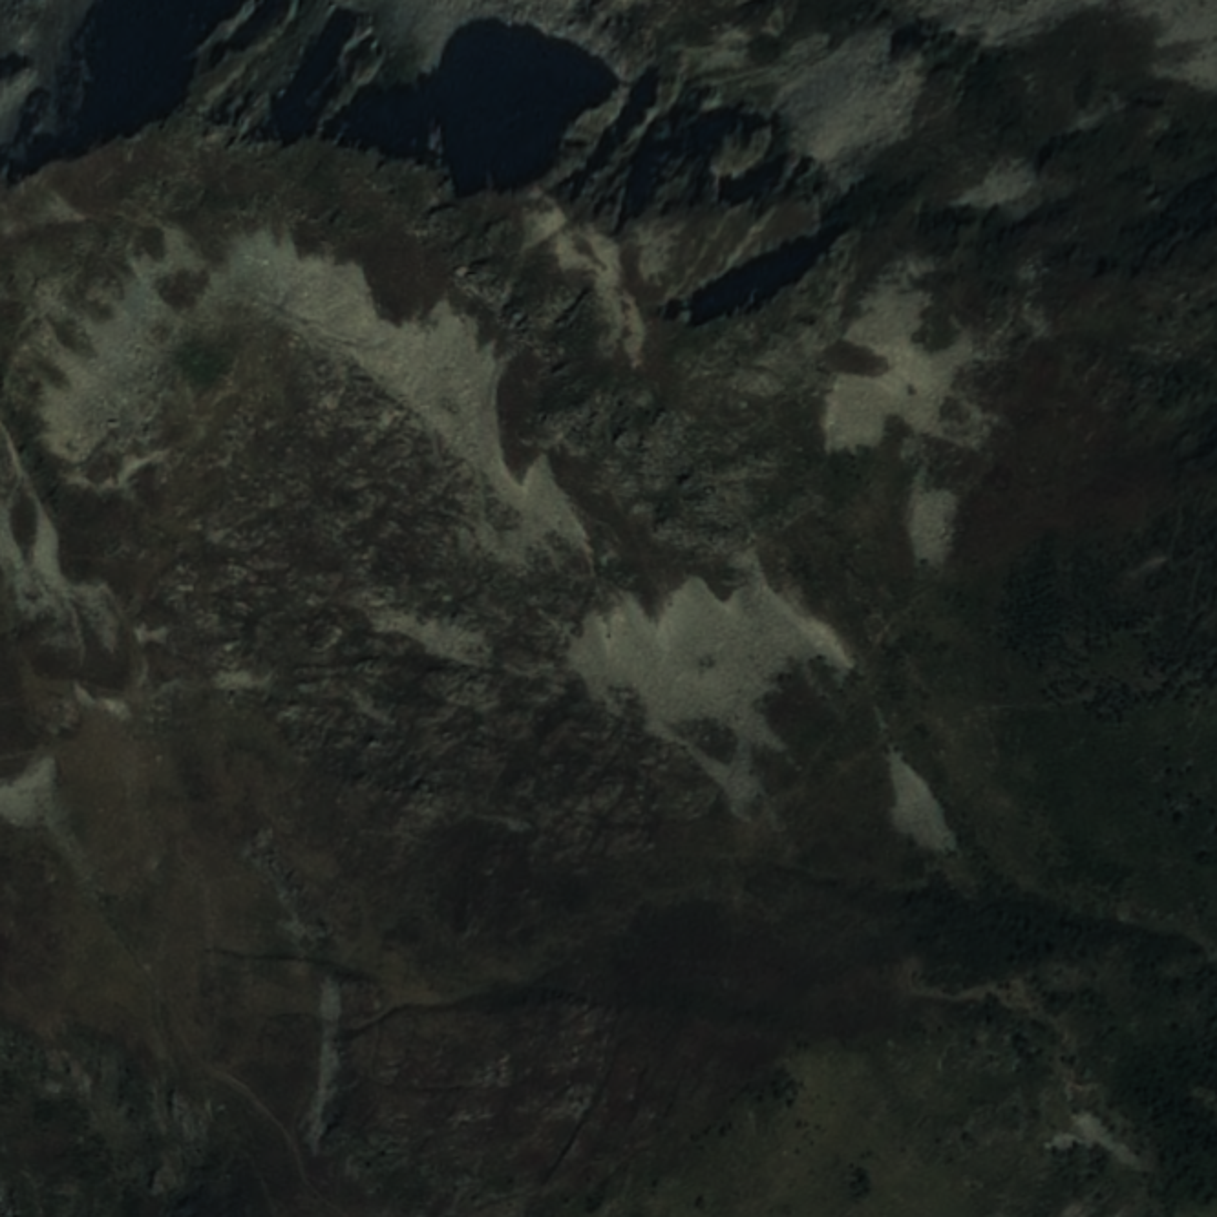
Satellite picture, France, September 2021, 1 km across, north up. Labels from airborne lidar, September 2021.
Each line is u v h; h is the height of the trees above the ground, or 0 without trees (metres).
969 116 0
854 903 0
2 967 0
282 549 0
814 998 0
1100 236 0
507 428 0
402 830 0
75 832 0
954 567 0
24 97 0
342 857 0
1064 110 0
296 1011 0
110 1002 0
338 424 0
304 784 0
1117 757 0
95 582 0
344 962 0
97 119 0
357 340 0
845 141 0
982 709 0
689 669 0
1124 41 0
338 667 0
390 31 0
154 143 0
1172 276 0
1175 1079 6
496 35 0
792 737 0
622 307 0
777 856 0
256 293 0
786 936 0
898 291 0
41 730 0
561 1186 0
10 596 0
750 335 0
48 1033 0
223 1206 0
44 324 0
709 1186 0
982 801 0
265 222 0
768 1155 0
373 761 0
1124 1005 0
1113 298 0
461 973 0
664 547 0
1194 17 0
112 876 0
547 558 0
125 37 0
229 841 0
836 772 0
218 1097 0
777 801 0
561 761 0
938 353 0
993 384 0
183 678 0
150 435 0
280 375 0
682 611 0
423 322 0
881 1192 0
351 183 0
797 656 0
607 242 0
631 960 0
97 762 0
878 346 0
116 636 0
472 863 0
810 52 0
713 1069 0
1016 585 7
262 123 0
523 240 0
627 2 0
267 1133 0
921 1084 0
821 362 0
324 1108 0
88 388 0
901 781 0
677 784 0
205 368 0
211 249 0
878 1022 0
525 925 0
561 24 0
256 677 0
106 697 0
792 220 0
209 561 0
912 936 0
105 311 0
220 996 0
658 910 0
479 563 0
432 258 0
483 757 0
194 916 0
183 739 0
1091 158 0
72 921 0
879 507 0
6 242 0
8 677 0
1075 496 0
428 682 0
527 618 0
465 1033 0
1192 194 6
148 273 0
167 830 0
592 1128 0
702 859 0
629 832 0
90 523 0
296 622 0
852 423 0
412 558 0
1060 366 0
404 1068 0
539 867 0
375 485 0
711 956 0
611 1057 0
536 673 0
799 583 0
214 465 0
